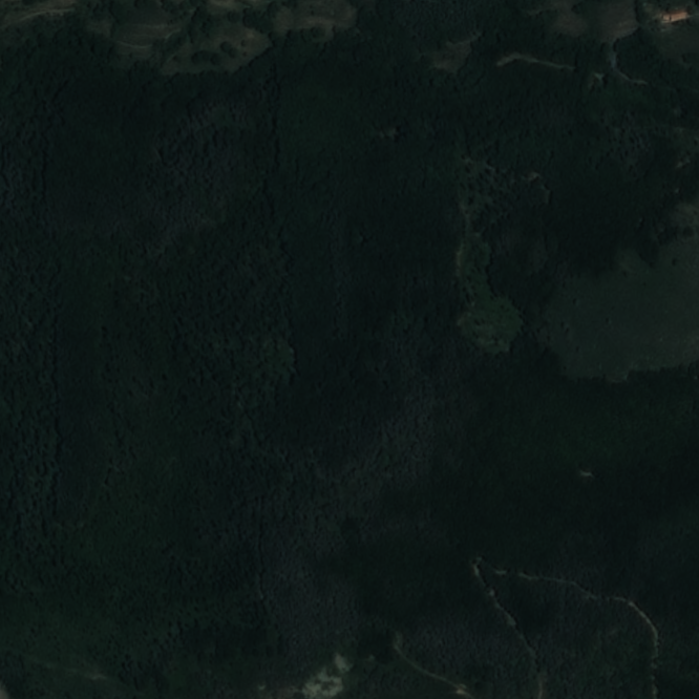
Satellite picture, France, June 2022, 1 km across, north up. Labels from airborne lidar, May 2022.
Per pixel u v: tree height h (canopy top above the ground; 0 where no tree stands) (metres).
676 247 0
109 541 6
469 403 14
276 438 15
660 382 16
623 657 7
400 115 24
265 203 13
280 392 18
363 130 19
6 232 7
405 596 15
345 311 24
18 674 9
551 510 25
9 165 13
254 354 11
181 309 19
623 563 17
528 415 14
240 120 12
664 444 22
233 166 15
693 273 0
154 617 8
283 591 12
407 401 13
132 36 0
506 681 12
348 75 24
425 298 14
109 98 25
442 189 22
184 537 7
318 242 25
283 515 7
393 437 12
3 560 8
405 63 18
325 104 19
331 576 14
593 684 16
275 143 8
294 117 21
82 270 19
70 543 6
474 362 17
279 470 14
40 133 13
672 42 0
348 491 0
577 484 23
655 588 15
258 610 9
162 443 6
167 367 9
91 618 6
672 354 0
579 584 15
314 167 16
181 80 23
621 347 0
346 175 20
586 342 0
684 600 15
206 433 13
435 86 23
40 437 16
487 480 21
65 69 16
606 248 20
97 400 22
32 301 14
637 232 19
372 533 14
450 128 24
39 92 18
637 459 17
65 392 22
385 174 20
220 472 11
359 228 21
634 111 12
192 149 15
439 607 19
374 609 16
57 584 5
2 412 13
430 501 19
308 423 15
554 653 13
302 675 9
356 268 27
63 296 23
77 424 22
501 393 14
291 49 20
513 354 19
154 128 25
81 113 23
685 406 14
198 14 15
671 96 18
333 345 19
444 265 20
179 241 15
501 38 30
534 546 20
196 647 13
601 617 17
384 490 9
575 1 0
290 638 11
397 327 9
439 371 15
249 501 10
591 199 20
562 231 19
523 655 9
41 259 7
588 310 0
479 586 19
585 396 15
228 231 10
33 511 10
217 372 11
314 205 23
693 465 20
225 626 11
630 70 18
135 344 5
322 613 14
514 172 13
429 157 21
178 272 11
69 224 10
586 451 14
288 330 9
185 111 13
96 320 23
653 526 17
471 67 18
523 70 19
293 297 21
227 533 13
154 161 17
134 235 12
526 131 7
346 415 14
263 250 7
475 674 9
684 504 22
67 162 21
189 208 15
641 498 25
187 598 9
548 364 16
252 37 0
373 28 15
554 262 8
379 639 14
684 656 10
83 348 23
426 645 13
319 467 11
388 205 26
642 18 15
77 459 19
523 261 9
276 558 13
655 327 0
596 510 30
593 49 24
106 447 17
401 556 18
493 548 22
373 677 8
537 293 18
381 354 15
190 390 8
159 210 18
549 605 21
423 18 19
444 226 19
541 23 10
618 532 25
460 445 15
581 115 12
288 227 20
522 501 26
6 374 11
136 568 7
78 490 20
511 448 20
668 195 13
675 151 18
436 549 19
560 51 17
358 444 15
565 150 18
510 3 21
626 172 12
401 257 19
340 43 21
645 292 0
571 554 19
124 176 14
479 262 10
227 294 12
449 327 13
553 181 18
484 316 0
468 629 16
